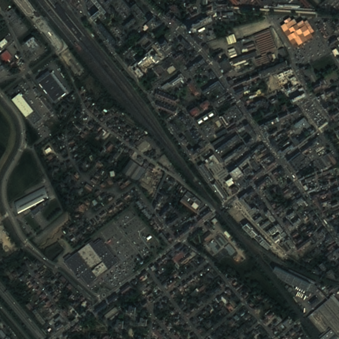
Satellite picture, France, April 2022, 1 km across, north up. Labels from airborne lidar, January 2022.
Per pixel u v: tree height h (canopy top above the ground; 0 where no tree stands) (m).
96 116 0
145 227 0
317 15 0
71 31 0
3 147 0
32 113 0
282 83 0
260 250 0
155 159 12
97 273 0
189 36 0
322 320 0
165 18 0
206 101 0
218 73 0
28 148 0
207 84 0
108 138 0
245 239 0
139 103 0
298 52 0
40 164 0
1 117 0
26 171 0
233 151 0
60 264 0
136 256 0
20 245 0
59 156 0
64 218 0
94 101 8
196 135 0
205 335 0
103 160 6
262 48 0
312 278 0
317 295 0
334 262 8
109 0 0
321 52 0
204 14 0
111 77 0
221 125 0
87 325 18
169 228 0
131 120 0
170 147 0
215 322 12
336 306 0
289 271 0
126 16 0
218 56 0
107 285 0
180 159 0
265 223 0
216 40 0
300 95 0
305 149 0
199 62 0
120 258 0
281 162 0
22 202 0
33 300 0
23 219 0
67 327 0
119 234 0
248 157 0
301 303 0
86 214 0
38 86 0
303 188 0
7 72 0
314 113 0
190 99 0
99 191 0
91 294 0
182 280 0
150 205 0
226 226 13
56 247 0
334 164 13
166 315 8
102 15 0
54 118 0
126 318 14
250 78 0
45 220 0
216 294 0
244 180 0
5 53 0
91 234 7
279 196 8
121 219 0
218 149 0
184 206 12
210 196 0
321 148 0
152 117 0
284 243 0
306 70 0
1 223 0
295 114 0
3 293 0
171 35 0
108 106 0
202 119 0
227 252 0
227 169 0
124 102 0
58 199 0
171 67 0
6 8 0
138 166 0
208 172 0
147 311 15
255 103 0
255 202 0
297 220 0
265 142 0
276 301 9
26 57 0
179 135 0
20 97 0
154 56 0
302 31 0
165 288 0
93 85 0
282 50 0
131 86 0
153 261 0
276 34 0
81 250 0
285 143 0
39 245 0
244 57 0
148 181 0
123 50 12
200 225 0
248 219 0
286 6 0
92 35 0
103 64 0
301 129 0
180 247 0
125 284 0
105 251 0
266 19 0
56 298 0
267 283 0
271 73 0
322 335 0
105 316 14
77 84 0
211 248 0
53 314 0
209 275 0
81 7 0
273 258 0
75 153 0
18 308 0
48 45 7
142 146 0
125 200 0
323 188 0
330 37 0
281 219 0
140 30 0
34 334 0
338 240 0
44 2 0
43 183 0
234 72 0
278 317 0
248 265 0
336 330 0
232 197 0
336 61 0
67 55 0
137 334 15
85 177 0
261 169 0
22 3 0
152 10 0
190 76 0
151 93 0
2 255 0
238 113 0
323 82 0
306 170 10
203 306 0
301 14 0
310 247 0
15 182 0
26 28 0
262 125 0
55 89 0
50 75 0
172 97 0
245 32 0
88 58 0
